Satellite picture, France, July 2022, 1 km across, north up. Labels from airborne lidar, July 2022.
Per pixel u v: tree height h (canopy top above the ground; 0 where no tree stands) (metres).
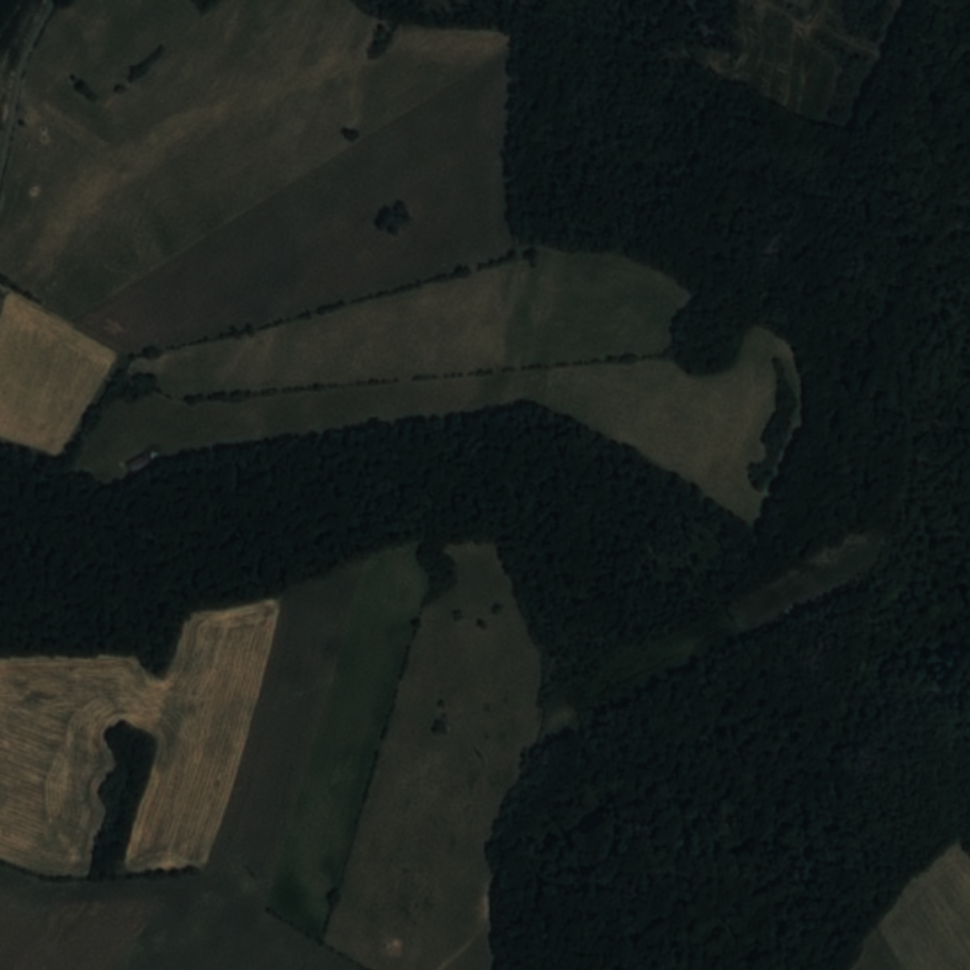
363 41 0
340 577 0
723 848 29
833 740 30
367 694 0
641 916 21
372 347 0
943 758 15
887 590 26
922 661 12
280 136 0
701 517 15
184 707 0
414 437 21
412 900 0
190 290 0
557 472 21
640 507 26
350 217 0
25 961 0
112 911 0
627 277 0
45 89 0
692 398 0
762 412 0
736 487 0
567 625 24
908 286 25
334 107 0
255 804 0
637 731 23
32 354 0
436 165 0
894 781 10
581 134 17
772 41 0
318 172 0
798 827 14
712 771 24
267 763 0
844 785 22
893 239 30
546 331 0
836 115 8
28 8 0
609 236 19
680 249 24
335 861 0
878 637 30
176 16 0
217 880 0
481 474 24
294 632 0
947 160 24
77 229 0
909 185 35
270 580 21
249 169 0
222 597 22
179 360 0
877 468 27
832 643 17
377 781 0
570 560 27
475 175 0
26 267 0
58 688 0
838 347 25
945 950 0
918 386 25
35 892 0
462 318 0
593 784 25
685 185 23
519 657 0
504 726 0
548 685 12
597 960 22
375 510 17
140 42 0
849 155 20
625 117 12
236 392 6
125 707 0
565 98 16
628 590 26
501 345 0
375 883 0
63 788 0
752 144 22
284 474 22
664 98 8
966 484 24
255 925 0
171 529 22
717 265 21
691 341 23
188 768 0
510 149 12
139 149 0
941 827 15
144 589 20
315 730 0
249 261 0
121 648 19
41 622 21
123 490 21
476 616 0
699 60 20
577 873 20
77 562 20
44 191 0
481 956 0
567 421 21
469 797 0
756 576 19
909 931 0
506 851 22
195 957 0
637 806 25
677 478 19
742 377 0
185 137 0
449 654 0
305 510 21
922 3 22
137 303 0
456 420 15
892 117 28
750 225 20
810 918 15
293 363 0
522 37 13
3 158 0
